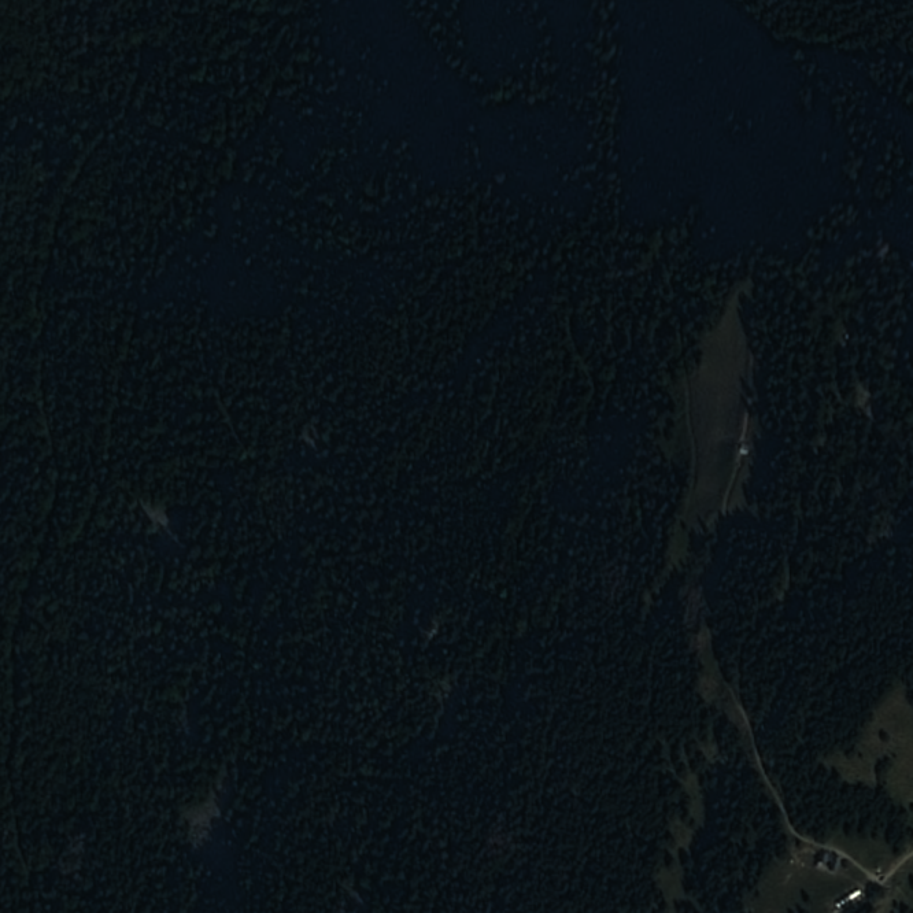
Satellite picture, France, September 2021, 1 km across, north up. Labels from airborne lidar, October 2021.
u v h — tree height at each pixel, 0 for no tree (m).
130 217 16
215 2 23
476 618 10
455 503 15
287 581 20
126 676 10
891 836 16
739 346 0
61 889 18
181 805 15
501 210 25
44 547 11
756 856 9
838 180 13
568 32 21
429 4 10
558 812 18
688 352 6
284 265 18
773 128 7
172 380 15
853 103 28
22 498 23
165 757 13
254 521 25
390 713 8
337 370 25
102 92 24
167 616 26
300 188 21
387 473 23
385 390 13
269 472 11
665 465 21
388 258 24
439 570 17
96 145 9
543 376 17
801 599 6
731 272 14
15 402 9
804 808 10
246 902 14
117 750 15
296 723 21
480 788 19
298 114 24
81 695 16
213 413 23
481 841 23
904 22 26
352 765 17
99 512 14
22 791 15
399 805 22
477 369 15
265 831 20
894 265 6
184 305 22
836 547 22
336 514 31
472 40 25
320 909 19
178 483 19
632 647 21
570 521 26
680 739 17
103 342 20
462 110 25
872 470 7
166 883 14
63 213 20
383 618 14
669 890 0
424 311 23
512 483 14
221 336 22
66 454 9
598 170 13
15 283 16
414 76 29
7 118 11
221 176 20
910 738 0
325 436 23
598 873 24
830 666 13
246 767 23
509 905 19
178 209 16
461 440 15
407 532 25
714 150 25
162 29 25
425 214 18
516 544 8
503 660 12
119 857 17
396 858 18
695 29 7
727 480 0
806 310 7
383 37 26
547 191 30
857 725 15
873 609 21
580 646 12
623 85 7
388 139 18
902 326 5
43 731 21
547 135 25
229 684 10
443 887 24
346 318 19
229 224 21
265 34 20
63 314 17
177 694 19
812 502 14
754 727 11
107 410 13
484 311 21
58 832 20
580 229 21
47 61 23
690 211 17
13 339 8
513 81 12
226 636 21
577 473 16
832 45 19
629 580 27
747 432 0
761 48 16
